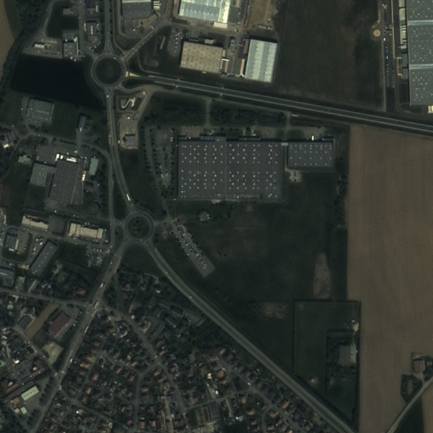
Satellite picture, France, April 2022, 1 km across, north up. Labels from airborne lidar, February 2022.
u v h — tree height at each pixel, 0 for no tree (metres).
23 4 18
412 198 0
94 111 0
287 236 0
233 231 0
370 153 0
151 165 0
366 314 0
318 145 0
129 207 0
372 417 0
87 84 0
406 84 0
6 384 0
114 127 0
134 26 0
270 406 0
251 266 0
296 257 0
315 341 0
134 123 0
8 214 0
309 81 0
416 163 0
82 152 0
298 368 0
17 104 0
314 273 0
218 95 0
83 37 0
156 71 0
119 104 0
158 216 0
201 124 0
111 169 0
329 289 0
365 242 0
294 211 0
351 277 0
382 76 0
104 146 0
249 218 0
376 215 0
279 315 0
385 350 0
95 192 0
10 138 0
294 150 0
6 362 0
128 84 0
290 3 0
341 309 0
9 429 11
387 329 0
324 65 0
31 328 0
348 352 0
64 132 0
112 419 7
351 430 0
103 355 0
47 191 0
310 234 0
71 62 0
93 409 7
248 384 0
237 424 0
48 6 0
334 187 0
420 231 0
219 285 0
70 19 0
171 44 0
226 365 0
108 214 0
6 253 0
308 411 0
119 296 0
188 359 7
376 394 0
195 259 0
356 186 0
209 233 0
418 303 0
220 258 0
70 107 0
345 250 0
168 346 7
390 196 0
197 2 0
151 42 0
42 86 0
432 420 0
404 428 0
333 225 0
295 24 0
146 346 0
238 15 0
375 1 0
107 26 0
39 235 0
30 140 0
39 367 0
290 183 0
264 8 0
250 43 0
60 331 0
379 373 0
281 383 0
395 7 0
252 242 0
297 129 0
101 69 0
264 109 0
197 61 0
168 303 0
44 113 0
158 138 0
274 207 0
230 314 0
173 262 0
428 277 0
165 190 0
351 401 0
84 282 14
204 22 0
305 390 0
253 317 0
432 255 0
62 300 0
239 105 0
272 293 0
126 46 0
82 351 0
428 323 0
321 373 0
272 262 0
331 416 0
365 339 0
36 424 0
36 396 0
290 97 0
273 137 0
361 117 0
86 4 0
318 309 0
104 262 0
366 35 0
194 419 0
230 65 0
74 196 0
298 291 0
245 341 0
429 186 0
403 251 0
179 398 0
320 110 0
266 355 0
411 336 0
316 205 0
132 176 0
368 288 0
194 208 0
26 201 0
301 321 0
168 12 0
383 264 0
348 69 0
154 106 0
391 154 0
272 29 0
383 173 0
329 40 0
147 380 0
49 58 0
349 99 0
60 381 0
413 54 0
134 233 0
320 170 0
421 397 0
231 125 0
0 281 0
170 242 0
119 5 0
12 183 0
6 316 7
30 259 0
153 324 0
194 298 0
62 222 0
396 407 0
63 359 0
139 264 0
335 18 0
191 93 0
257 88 0
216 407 0
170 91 0
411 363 0
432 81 0
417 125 0
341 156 0
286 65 0
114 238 0
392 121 0
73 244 0
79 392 0
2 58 0
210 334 0
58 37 0
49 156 0
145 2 0
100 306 0
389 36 0
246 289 0
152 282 11
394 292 0
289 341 0
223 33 0
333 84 0
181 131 0
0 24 0
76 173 0
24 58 0
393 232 0
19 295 0
